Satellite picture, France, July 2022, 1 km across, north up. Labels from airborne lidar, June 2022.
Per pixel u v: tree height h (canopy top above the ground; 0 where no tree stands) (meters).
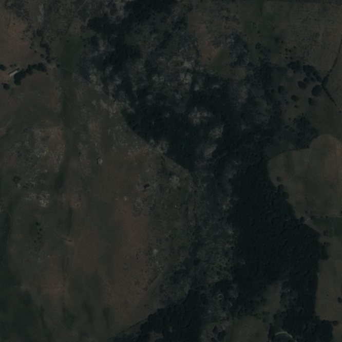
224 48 0
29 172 0
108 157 0
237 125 11
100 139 0
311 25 0
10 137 0
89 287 0
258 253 15
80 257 0
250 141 14
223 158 5
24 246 0
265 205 16
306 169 0
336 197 0
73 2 0
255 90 0
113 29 10
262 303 7
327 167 0
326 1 0
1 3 0
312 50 0
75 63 0
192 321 19
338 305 0
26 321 0
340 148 0
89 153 0
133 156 0
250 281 14
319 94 14
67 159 0
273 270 12
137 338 6
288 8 0
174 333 12
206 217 0
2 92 0
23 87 0
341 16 0
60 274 0
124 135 0
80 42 0
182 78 0
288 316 10
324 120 0
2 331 0
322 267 0
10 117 0
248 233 10
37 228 0
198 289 10
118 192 0
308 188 0
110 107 0
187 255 0
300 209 0
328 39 0
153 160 0
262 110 0
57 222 0
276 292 0
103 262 0
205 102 8
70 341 0
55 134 0
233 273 11
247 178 14
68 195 0
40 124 0
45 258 0
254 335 0
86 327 0
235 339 0
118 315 0
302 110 0
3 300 0
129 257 0
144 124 14
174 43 0
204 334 0
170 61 0
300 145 6
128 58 6
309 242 20
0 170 0
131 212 0
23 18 0
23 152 0
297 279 12
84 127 0
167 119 16
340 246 0
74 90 0
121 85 9
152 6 20
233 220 12
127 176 0
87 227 0
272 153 0
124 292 0
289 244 19
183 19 7
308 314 16
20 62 0
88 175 0
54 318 0
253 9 0
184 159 6
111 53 8
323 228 0
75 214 0
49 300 0
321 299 0
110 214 0
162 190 0
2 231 0
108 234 0
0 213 0
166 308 5
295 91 0
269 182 20
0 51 0
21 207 0
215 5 0
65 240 0
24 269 0
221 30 0
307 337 16
